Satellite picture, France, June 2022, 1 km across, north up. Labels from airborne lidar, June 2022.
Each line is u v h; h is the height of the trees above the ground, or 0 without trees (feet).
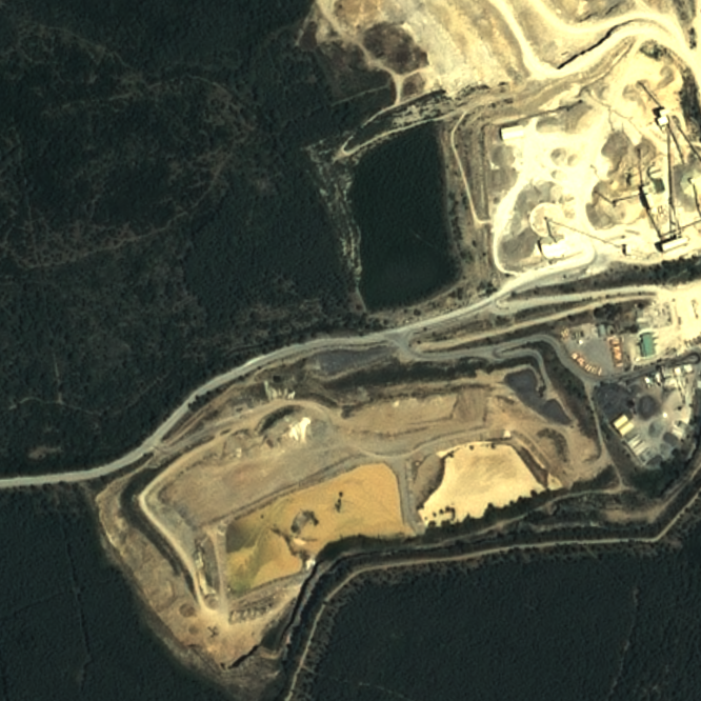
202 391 0
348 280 24
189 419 0
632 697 54
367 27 0
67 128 22
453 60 0
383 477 0
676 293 0
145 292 18
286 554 0
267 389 0
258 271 44
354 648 50
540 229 0
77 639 47
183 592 0
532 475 0
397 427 0
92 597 44
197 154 20
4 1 25
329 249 43
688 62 0
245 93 26
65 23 27
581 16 0
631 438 0
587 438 0
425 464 0
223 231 35
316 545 0
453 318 0
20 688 52
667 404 0
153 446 0
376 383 0
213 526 0
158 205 28
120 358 20
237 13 45
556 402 0
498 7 0
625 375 0
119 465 0
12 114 32
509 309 0
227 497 0
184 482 0
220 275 40
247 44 25
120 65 24
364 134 42
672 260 20
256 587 0
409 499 0
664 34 0
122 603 49
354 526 0
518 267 0
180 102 28
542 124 0
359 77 0
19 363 43
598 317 30
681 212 0
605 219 0
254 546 0
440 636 34
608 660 55
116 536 0
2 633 60
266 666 0
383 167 25
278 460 0
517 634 44
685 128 0
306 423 0
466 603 51
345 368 0
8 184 31
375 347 0
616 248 0
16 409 23
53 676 50
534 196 0
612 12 0
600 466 0
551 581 53
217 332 26
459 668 41
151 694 52
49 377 40
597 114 0
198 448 0
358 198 19
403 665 49
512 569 50
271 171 23
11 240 26
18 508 36
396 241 22
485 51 0
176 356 30
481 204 0
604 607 56
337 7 0
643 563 47
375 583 50
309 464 0
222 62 28
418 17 0
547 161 0
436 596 51
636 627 25
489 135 0
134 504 0
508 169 0
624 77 0
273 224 22
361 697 47
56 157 43
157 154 25
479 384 0
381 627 40
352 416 0
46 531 52
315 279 44
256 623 0
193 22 46
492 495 0
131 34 35
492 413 0
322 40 0
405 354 0
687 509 20
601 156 0
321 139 43
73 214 32
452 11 0
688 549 26
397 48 0
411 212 24
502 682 46
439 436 0
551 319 0
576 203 0
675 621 46
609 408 0
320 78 32
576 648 49
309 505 0
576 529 32
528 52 0
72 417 35
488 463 0
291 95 36
